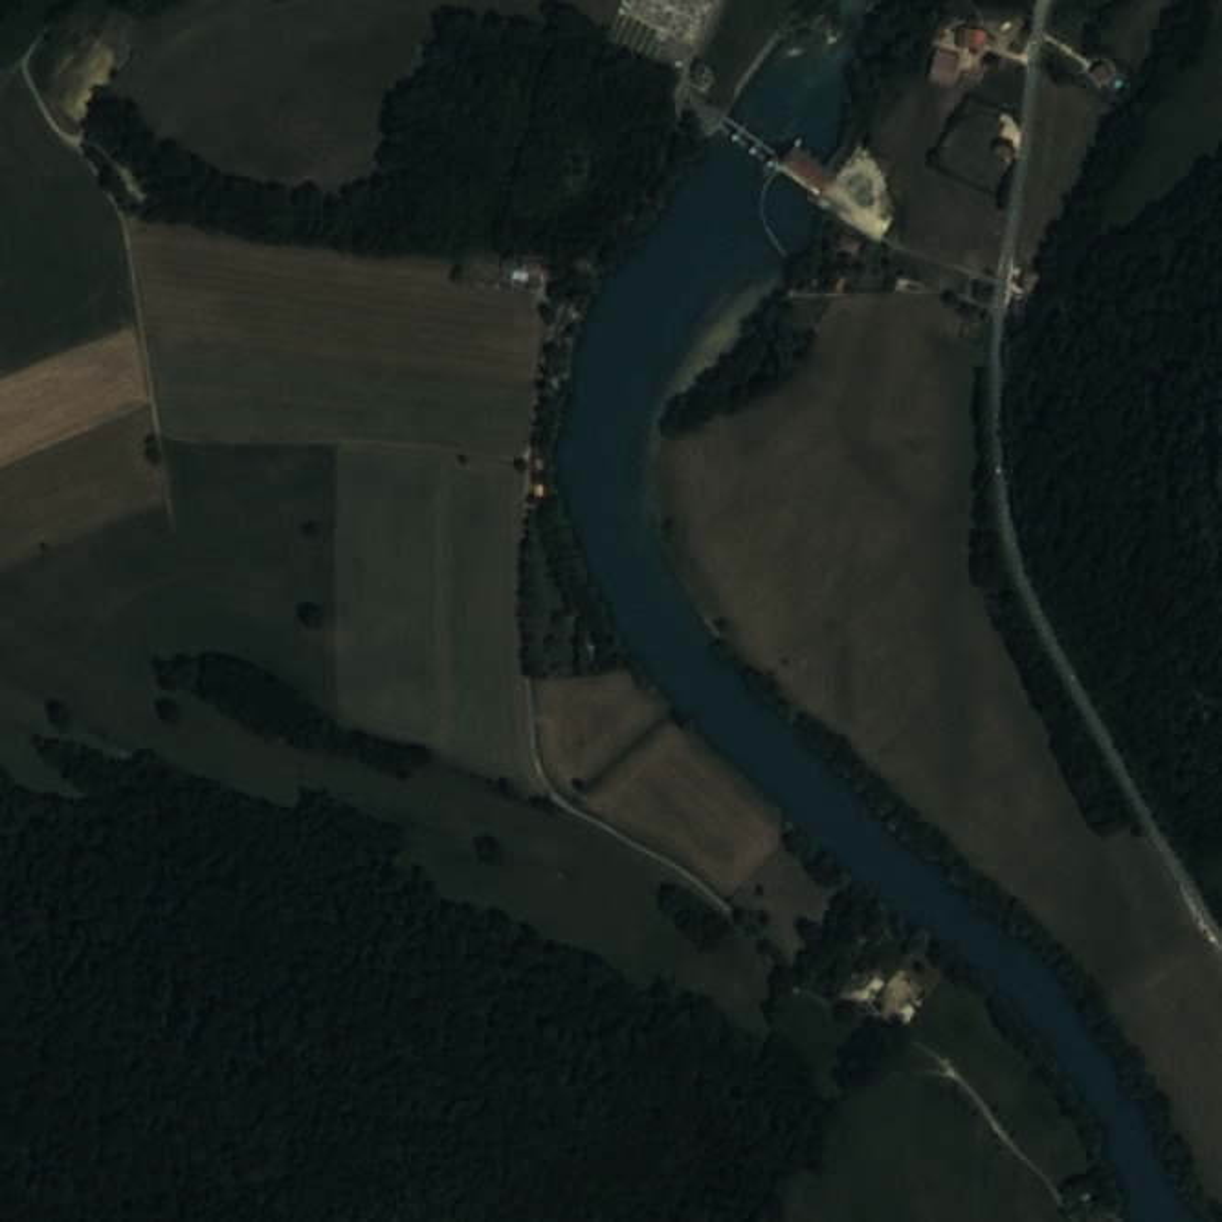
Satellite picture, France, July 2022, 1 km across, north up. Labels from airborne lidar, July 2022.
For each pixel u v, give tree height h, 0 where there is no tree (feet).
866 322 0
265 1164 117
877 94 22
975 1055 0
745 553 0
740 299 0
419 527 0
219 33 0
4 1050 117
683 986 76
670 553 0
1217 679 77
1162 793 44
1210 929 0
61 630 0
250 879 61
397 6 0
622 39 0
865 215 0
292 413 0
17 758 0
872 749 0
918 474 0
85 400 0
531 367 0
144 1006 38
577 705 0
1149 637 65
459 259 51
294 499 0
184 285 0
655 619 0
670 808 0
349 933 80
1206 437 34
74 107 0
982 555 47
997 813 0
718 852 0
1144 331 95
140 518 0
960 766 0
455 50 56
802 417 0
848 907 72
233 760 0
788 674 0
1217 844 45
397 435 0
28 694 0
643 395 0
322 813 75
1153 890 0
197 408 0
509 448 0
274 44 0
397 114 60
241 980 62
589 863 0
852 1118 0
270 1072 119
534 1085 75
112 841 98
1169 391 101
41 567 0
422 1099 89
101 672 0
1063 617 55
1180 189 31
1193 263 96
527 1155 82
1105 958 0
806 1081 24
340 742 75
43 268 0
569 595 41
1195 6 56
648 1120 81
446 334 0
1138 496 99
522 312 0
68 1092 104
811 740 63
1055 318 58
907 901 0
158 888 77
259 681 82
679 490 0
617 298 0
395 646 0
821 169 0
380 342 0
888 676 0
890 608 0
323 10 0
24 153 0
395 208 71
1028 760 0
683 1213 100
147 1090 111
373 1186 52
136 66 0
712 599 0
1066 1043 0
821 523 0
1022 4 29
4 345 0
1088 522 56
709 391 72
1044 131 0
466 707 0
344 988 88
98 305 0
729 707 0
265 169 0
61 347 0
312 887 72
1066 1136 0
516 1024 89
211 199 66
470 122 52
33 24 0
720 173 0
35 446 0
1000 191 33
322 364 0
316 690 0
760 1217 84
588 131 29
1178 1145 70
